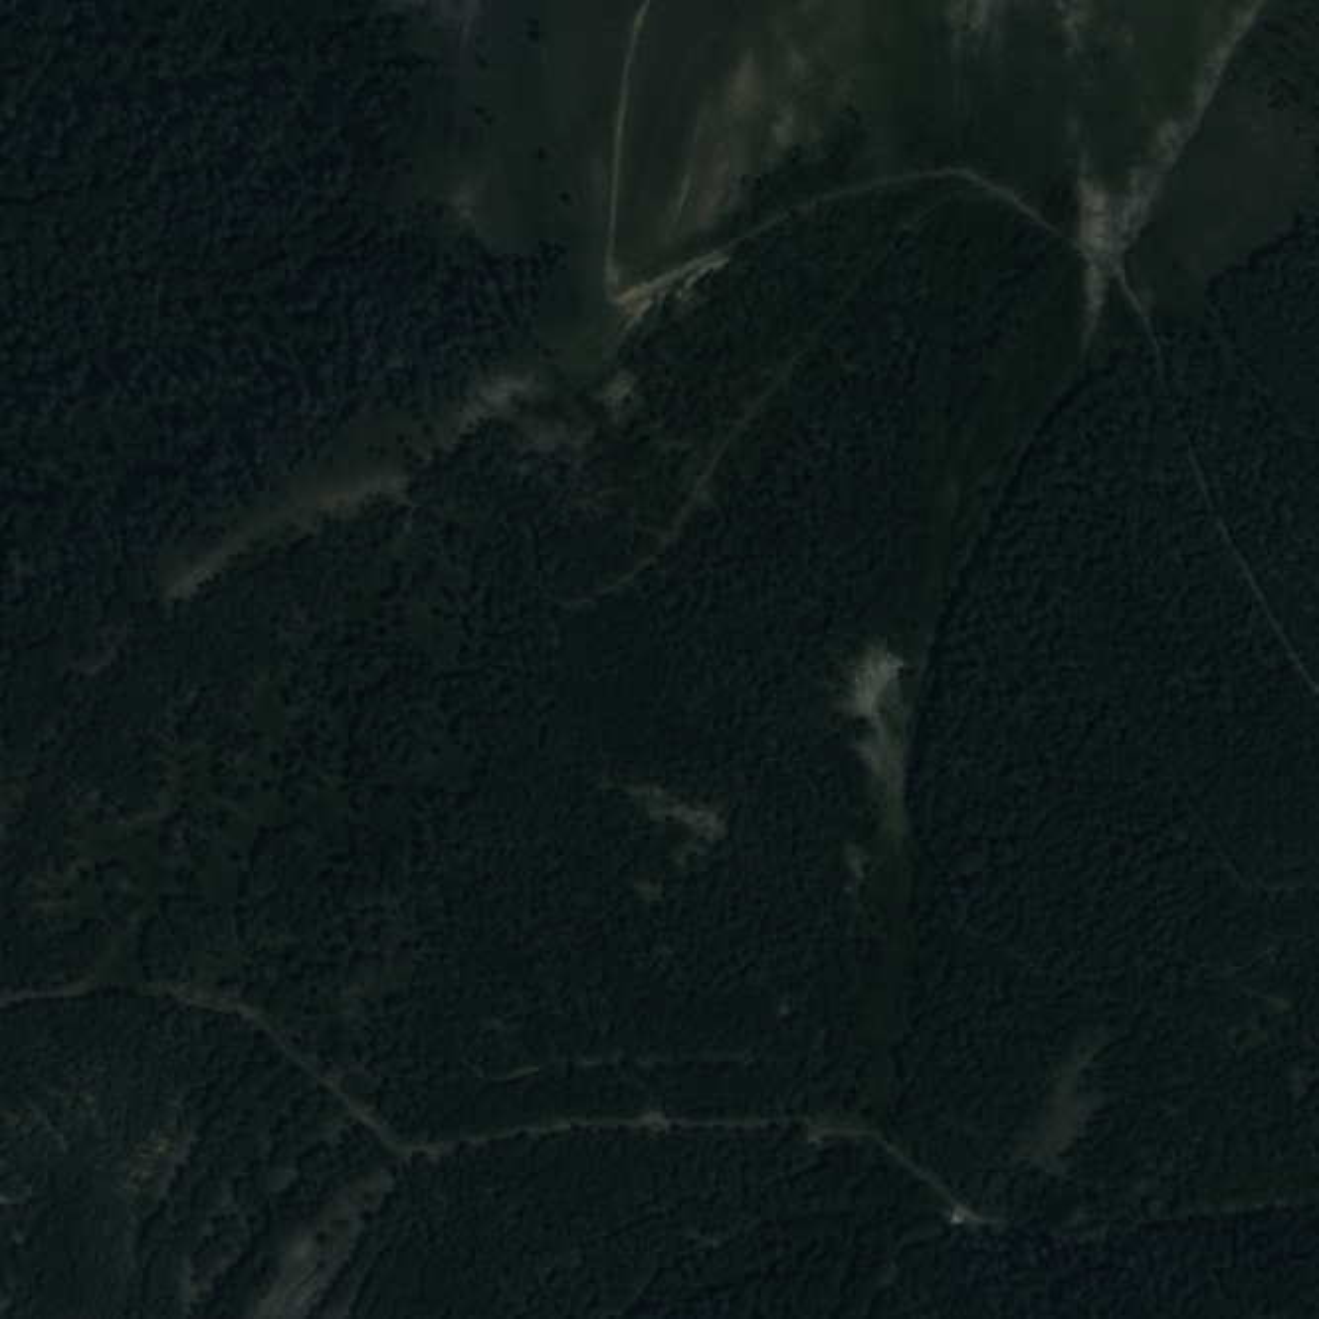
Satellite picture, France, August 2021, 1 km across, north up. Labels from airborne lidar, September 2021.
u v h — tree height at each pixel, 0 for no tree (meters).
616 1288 16
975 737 20
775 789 12
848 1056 14
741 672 28
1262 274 19
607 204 0
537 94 0
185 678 19
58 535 23
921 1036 20
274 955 9
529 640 18
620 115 0
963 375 14
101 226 20
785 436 6
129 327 22
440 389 13
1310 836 12
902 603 27
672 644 17
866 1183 17
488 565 16
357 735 24
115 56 25
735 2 0
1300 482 13
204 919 27
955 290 9
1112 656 14
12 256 20
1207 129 0
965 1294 12
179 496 11
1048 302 11
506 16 0
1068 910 21
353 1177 18
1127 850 22
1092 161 0
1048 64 0
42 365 22
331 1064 21
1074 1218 9
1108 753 14
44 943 20
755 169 0
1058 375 7
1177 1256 15
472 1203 19
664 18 0
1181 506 17
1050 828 19
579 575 14
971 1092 14
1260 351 22
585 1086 22
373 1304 18
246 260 22
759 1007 17
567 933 8
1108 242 0
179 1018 19
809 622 17
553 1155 15
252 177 26
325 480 0
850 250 9
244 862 25
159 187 19
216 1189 13
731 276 13
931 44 0
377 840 11
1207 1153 13
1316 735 14
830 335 13
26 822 11
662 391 18
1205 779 15
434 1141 12
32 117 11
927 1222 11
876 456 23
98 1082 7
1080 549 21
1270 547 14
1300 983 17
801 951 28
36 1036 15
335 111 20
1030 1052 10
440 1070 12
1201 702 16
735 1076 18
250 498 17
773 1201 22
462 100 0
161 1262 12
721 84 0
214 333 25
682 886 18
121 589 15
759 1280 12
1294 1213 10
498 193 0
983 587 24
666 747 14
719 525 22
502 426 11
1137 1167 13
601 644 17
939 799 19
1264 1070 14
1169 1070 14
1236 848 13
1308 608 13
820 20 0
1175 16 0
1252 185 0
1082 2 0
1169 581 16
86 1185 11
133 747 16
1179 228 0
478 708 20
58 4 14
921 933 11
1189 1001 18
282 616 18
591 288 0
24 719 18
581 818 26
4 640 20
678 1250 21
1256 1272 13
